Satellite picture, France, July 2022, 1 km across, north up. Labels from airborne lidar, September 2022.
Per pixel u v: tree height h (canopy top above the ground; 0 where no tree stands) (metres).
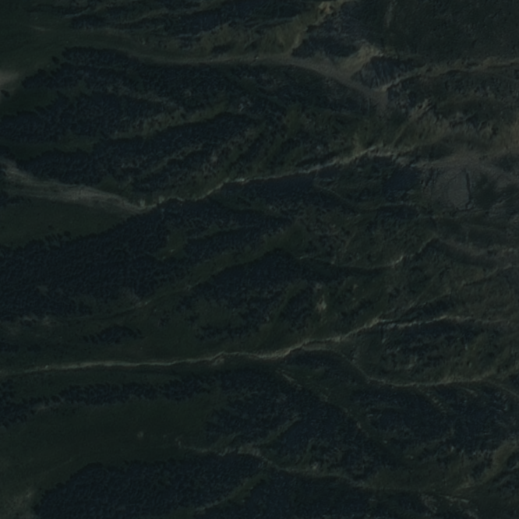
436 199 0
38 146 0
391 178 0
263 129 0
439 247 0
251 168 8
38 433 0
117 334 20
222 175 0
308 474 0
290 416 9
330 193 0
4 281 23
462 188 0
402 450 13
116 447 0
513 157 0
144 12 0
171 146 10
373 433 0
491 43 0
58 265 23
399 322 0
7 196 22
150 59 0
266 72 10
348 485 0
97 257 23
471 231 0
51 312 15
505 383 0
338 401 0
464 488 0
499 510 0
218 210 7
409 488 0
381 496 0
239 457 8
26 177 0
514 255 0
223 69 0
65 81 16
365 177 0
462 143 0
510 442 0
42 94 0
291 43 0
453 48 0
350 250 0
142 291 13
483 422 8
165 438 0
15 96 0
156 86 11
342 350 0
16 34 0
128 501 19
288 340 0
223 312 0
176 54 0
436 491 0
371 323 0
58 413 5
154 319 0
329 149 9
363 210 0
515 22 0
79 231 0
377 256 0
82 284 17
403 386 0
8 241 0
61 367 0
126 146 10
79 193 0
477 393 0
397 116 0
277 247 0
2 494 0
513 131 0
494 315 0
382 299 0
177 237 0
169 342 0
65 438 0
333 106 12
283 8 0
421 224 0
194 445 0
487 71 0
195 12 0
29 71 0
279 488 8
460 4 0
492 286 0
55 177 18
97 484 18
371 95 0
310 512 6
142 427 0
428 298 0
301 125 0
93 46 0
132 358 0
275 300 10
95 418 0
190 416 0
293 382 0
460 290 0
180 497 25
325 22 0
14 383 9
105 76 9
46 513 16
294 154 0
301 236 0
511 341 0
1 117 0
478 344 0
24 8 0
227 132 14
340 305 7
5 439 0
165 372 0
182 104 10
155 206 0
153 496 12
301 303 9
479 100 0
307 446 11
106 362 0
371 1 0
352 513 7
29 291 20
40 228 0
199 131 9
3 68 0
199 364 0
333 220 0
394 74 0
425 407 9
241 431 10
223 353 0
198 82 6
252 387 9
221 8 0
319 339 0
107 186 0
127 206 0
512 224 0
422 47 0
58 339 0
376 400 11
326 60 0
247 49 0
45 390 0
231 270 0
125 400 16
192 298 7
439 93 0
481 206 0
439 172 0
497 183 0
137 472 20
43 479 0
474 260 0
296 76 0
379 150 0
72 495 19
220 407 0
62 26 0
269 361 0
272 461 0
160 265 13
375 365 0
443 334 7
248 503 0
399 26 0
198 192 0
